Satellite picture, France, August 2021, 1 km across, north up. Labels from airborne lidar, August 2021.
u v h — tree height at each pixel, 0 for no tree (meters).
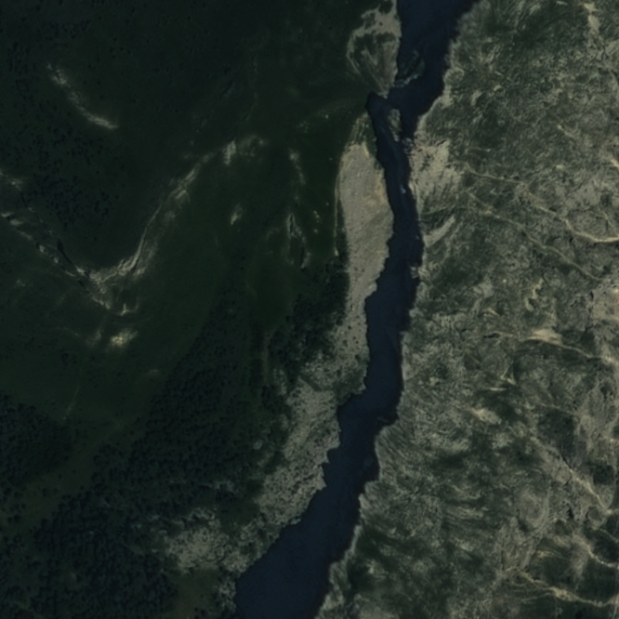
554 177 0
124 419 0
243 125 0
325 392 0
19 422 11
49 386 0
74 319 0
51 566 10
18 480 13
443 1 0
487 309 0
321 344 8
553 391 0
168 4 0
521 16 0
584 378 0
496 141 0
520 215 0
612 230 0
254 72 0
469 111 0
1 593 16
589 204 0
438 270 0
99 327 0
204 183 0
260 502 0
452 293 0
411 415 0
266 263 0
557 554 0
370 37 0
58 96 0
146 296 0
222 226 0
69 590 8
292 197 0
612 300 0
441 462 0
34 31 0
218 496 8
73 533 7
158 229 0
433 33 0
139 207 0
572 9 0
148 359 0
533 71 0
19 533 0
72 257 0
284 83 0
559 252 0
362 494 0
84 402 0
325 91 0
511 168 0
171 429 7
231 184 0
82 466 0
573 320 0
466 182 0
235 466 7
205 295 0
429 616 0
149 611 12
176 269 0
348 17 0
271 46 0
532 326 0
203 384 6
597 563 0
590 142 0
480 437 0
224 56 0
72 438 8
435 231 0
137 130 0
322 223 0
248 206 0
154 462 11
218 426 7
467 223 0
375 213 0
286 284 0
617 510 0
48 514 0
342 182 0
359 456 0
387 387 0
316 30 0
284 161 0
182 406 6
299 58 0
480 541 0
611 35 0
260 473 0
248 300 0
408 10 0
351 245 0
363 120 0
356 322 0
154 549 0
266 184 0
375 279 0
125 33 0
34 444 11
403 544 0
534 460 0
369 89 0
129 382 0
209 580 0
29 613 8
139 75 0
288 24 0
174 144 0
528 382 0
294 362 8
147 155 0
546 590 0
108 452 9
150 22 0
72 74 0
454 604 0
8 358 7
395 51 0
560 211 0
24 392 0
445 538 0
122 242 0
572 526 0
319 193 0
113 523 6
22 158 7
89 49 0
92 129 0
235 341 0
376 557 0
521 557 0
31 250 0
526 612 0
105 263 0
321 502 0
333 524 0
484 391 0
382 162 0
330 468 0
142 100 0
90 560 9
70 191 9
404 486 0
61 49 0
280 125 0
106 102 0
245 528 0
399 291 0
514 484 0
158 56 0
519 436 0
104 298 0
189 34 0
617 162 0
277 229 0
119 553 23
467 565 0
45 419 7
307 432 0
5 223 0
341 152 0
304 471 0
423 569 0
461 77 0
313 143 0
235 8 0
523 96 0
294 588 0
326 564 0
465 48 0
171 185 0
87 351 0
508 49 0
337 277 8
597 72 0
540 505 0
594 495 0
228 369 9
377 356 0
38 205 0
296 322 8
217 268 0
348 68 0
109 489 11
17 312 0
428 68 0
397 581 0
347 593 0
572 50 0
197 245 0
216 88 0
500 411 0
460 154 0
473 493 0
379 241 0
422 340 0
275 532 0
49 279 0
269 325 0
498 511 0
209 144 0
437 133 0
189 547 0
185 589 0
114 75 0
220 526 0
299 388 0
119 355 0
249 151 0
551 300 0
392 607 0
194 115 0
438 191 0
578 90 0
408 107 0
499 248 0
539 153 0
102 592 12
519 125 0
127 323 0
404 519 0
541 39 0
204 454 11
